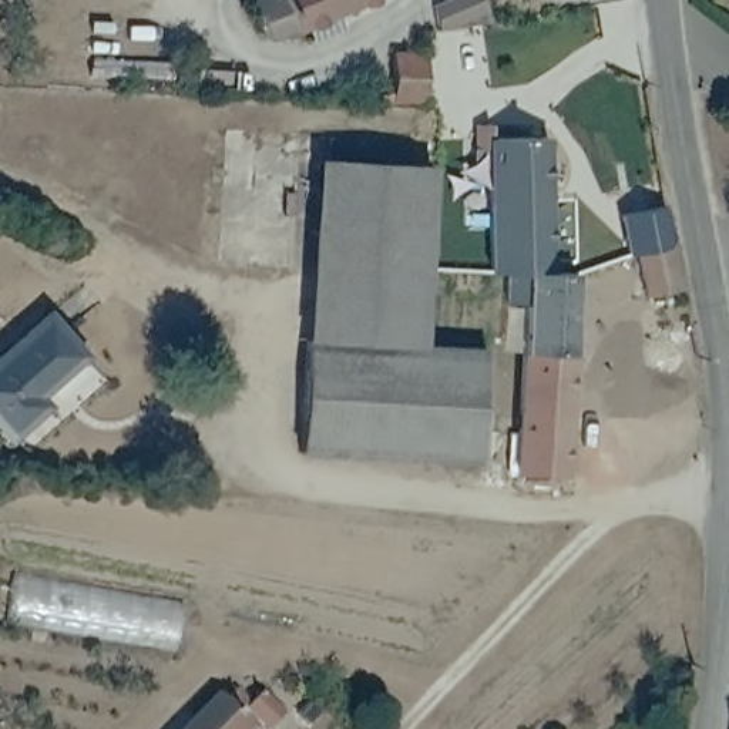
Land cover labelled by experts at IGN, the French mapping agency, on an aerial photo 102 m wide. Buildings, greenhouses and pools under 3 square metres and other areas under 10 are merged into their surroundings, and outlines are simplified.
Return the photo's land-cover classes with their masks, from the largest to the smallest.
<instances>
[{"label":"agricultural land","instance_id":"1","mask_svg":"<svg viewBox=\"0 0 729 729\"><path fill-rule=\"evenodd\" d=\"M51 142L46 134L20 137L0 131V151H9L17 165H28L37 174H46ZM26 196L34 205H43L48 199L40 188L0 174V202ZM587 530L584 521H495L447 513L310 501L290 493L251 490L236 481L228 487L219 484V501L208 510L185 507L177 513H165L151 510L142 498L122 504L117 493H105L100 501H85L74 495H51L43 487L37 493L14 495L0 504V615L6 598V575L17 567L48 570L91 581H111L140 589H159L182 595L179 609L185 615V624L182 638L174 649L57 632L48 624L28 621L31 638L11 641L0 632V689H63L77 695L80 701H97V715L54 706V729H185L191 718L216 692H236L242 706L253 703L265 692L262 681L279 672L290 661H322L330 655L339 661V666L350 672L347 695L353 701L370 703L379 692L387 689L399 701L402 712L424 695L430 683L441 678V672L510 607L513 598L521 595V589L567 547V541L575 533ZM85 666L151 669L157 678V692H125L91 683L85 681ZM709 552H703V541L698 538V530L692 524L672 515H641L612 527L533 604V609L501 638V644L490 655H484L458 686H453L444 695V701L419 723V729H575L587 718H592V712L604 706L612 695H618L624 678L635 686L646 675L644 652L664 649L675 658H692L695 649L703 646L706 621Z\"/></svg>","mask_w":729,"mask_h":729},{"label":"herbaceous vegetation","instance_id":"2","mask_svg":"<svg viewBox=\"0 0 729 729\"><path fill-rule=\"evenodd\" d=\"M34 11V37L43 48H48L46 65H37L31 74L9 71V77L0 80V131L20 137L46 134L51 142L46 174H37L28 165H17L9 151H0V174L40 188L48 199L57 208L74 214L83 222V228L94 234V242L120 234L131 236L142 248H151L171 265L194 268L199 273H211L219 279H282V265L216 262L222 234L219 205L225 182V134L242 131L248 142H253V148H262L265 134L285 137V131L290 128H310V151L327 162L410 168L430 165L436 171V179L441 185V256L436 268V296L441 299L439 322L444 325L436 327V345L490 350L493 404L487 413V464H501V481L513 490L515 498L561 501L575 495L578 456L550 467L547 484L527 481L521 473L510 476L513 436L524 430L527 359L521 353L513 356L507 350L513 279H501L498 273V225L493 219L498 216V191L493 185L487 188L470 171L473 165H478V157L470 154V137L441 140L444 117L436 97L416 103V108H387L384 114H350L345 108H299L293 103H288L245 100L225 105H202L188 97H177L174 71L168 65L174 51L179 46L196 48L205 40L188 23L168 26L162 20L148 17L154 0H28ZM125 68L142 71L151 80L154 91L117 94V77H122ZM604 34L598 9H595L592 14L544 17H535L533 23H513L510 17H495L484 28L490 88L524 85L538 80L561 60H567L572 51ZM558 117L567 122V128L584 148L598 179V188L612 191L618 185L615 168L624 162L629 191L646 188L649 168L652 162H658L655 137L649 131V103H641L638 85H632L626 77H615L609 68L592 74L558 103ZM703 128L712 157V174L729 191V128L715 120V114H709L703 120ZM629 245L624 234L615 236L589 211L587 202L581 205L584 259L575 262V273H581L592 265L626 256ZM100 276V271H77L71 262L51 259L46 253L26 248L23 242H14L11 236H0V356H6L54 308H63L83 293L88 279ZM80 333L85 336V347L91 350L83 367H94L103 379V384L83 404L94 419L103 421L131 416L137 421L134 427L91 430L71 413L48 436H43L37 447L28 444L9 447L0 433V470L17 467L23 461H37L51 470L85 464L97 470H122L128 464H140L142 473H157L177 453L199 456L205 450L199 433L188 421H179L174 416L168 404L148 399L154 376L145 367L148 342L191 350L196 359H202L214 353L219 339L188 313H162L157 305H151V313L145 316L140 308H131L125 299L114 293L100 302V310L85 316L80 327ZM658 327H683L692 322L689 305H675V299H658ZM675 373L689 382V399H695L698 407L712 404L709 370L706 362L692 359L689 350ZM393 470L402 478L450 481L458 490H473L481 473L444 470L436 464H393ZM626 706L618 695H612L604 706L592 712V718H587L575 729H607L612 726L615 715Z\"/></svg>","mask_w":729,"mask_h":729},{"label":"pervious surface","instance_id":"3","mask_svg":"<svg viewBox=\"0 0 729 729\"><path fill-rule=\"evenodd\" d=\"M433 3L450 0H384V6L379 9H362L359 14L336 20L330 28L319 31L313 43H271L259 37L239 0H154L148 17L162 20L168 26L188 23L205 40L216 60L211 68L202 71L205 80L242 85L245 91H253L256 83L285 85L288 103H293L299 97L330 94L356 71L370 68L376 60L382 71L390 74V43H402L413 26L427 23L433 20ZM490 3L495 17H510L513 23H533L535 17H544L541 3H592L595 9H598L629 0H484ZM649 131L655 137L658 162H652L649 168L646 188L664 196L666 208L672 211L678 234L675 248L683 253L686 262L689 259L683 211L669 168V154L664 145L658 77H649ZM77 271H100V276L88 279L83 293L63 308L71 316L68 325L80 327L85 316L100 310V302L114 293L125 299L131 308H140L145 316L151 313V305H157L162 313H188L219 339H228L236 365L245 376V384L239 387L234 404L214 416H202L185 407L174 416L179 421H188L199 433L205 450L214 461L219 484L228 487L236 481L251 490L290 493L310 501L447 513L495 521H584L587 530L575 533L567 541V547L521 589V595L513 598L510 607L441 672V678L430 683L424 695L402 712L396 729H419V723L444 701V695L453 686H458L484 655H490L501 644V638L533 609V604L612 527L641 515H672L692 524L698 530V538L703 541L709 538V430L701 427L698 407L695 399H689V382L675 373L689 350V336L683 327H658V299H644L638 273L632 268V256H626L592 265L581 273L584 347L581 356L572 362L578 365L581 387L601 393L612 419L598 424L595 410H584L578 439L587 447L578 456L575 495L561 501L515 498L513 490L501 481V464H487L481 473L473 490H458L450 481L402 478L393 470V464L342 458L325 461L305 456L313 416V333L319 279H219L211 273H199L194 268L171 265L151 248H142L131 236L120 234L94 242V251L88 256L71 262ZM91 430L134 427L137 421L131 416L103 421L94 419L83 404H77L71 413ZM265 692L253 703L242 706V715L259 720L256 729H327L333 715L319 712L313 701H302L305 683H299L296 689H285L279 672L262 681Z\"/></svg>","mask_w":729,"mask_h":729},{"label":"building","instance_id":"4","mask_svg":"<svg viewBox=\"0 0 729 729\"><path fill-rule=\"evenodd\" d=\"M384 6V0H265L268 20L259 37L271 43H313L319 31L330 28L336 20L359 14L362 9H379ZM495 17L490 3L484 0H450L433 3V20L427 23L436 34L458 28L470 31L476 26L484 28ZM390 85L396 88V94L387 97V108H416V103L436 97L433 57L402 54L399 68H390ZM558 142L550 134L538 140H504L498 137V128H484L473 120L470 137V154L478 157V165H473L470 171L487 188L493 185L498 191V216L493 219L498 225V273L501 279H513L507 350L513 356L521 353L527 359L524 430L513 436L510 476L521 473L527 481L547 484L550 467L578 456L587 447L578 439L584 410H595L598 424L612 419L601 393L581 387L578 365L572 362L581 356L584 347L581 273H575V262L584 259L581 205L558 202ZM441 256V185L436 179V171L430 165L410 168L327 162L319 231V279L313 333V416L305 456L325 461L342 458L393 464H436L444 470L481 473L487 464V413L493 404L490 350L436 345V327L444 325L439 322L441 299L436 296V268ZM624 234L629 245L626 256H632V268L638 273L644 299H675V305H689V293H695V285L689 259L686 262L683 253L675 248L678 234L672 211L666 208L664 196L646 188L629 191L618 202ZM71 316L63 308H54L6 356H0V433L9 447L28 444V430L37 427L54 407V393L83 367L91 350L85 347V336L80 333V327L68 325ZM242 706L236 692H216L191 718L185 729H256L259 720L242 715Z\"/></svg>","mask_w":729,"mask_h":729},{"label":"impervious surface","instance_id":"5","mask_svg":"<svg viewBox=\"0 0 729 729\"><path fill-rule=\"evenodd\" d=\"M604 34L572 51L567 60H561L538 80L524 85L490 88L484 28L476 26L470 31L458 28L436 34L433 57L436 97L444 117L441 140L470 137L473 120L484 128H498V137L504 140H538L550 134L558 142V202L581 205L587 202L589 211L615 236L624 234L618 202L629 191L624 162L615 168L618 185L612 191L598 188V179L584 148L567 128V122L558 117V103L592 74L609 68L615 77H626L632 85H638L641 103H649V77H658L664 145L669 154V168L683 211L689 259L695 285V293H689V305L692 322L683 327L689 336V350L692 359L706 362L709 370L712 404L698 407L701 427L709 430V538L703 541V552H709L706 621L703 646L695 649L692 658L698 703L689 712V729H729V191L712 174V157L703 128V120L709 114L706 100L712 83L729 74V31L706 20L698 9L689 6V0H629L598 9ZM310 128H290L285 131V137L265 134L262 148H253V142H248L242 131L225 134V182L219 205L222 234L216 262L282 265V279H319V231L327 162L310 151ZM103 384V379L94 367H83L54 393V407L37 427L28 430V444L37 447L43 436H48L71 413L77 404H83Z\"/></svg>","mask_w":729,"mask_h":729},{"label":"deciduous trees","instance_id":"6","mask_svg":"<svg viewBox=\"0 0 729 729\"><path fill-rule=\"evenodd\" d=\"M48 48H43L34 37V11L28 0H0V80L9 77V71L31 74L37 65H46ZM259 37L268 20L265 0H239ZM436 34L427 23L413 26L402 43H390V68H399L402 54L433 57ZM216 60L205 40L196 48L179 46L174 51L168 65L174 71L177 97H188L202 105H225L245 100L288 103L285 85L256 83L253 91H245L242 85L205 80L202 71L211 68ZM396 94V88L390 85V74L382 71L376 60L370 68L356 71L330 94L299 97L293 103L299 108H345L350 114H384L387 108V97ZM117 94L154 91L151 80L142 71L125 68L122 77H117ZM709 114H715V120L729 128V74L712 83L706 100ZM0 236H11L14 242H23L26 248L46 253L51 259L71 262L88 256L94 251V234L83 228V222L74 214L57 208L48 199L43 205H34L26 196L0 202ZM145 367L154 376L148 399L168 404L174 416L185 407L202 416H214L234 404L239 387L245 384V376L236 365L228 339H219L214 353L202 359H196L191 350L148 342ZM43 487L51 495H74L85 501H100L105 493H117L122 504L142 498L151 510L165 513H177L185 507L208 510L219 501V484L214 461L205 450L199 456L177 453L157 473H142L140 464H128L122 470H97L85 464L51 470L37 461H23L17 467L0 470V504L14 495L37 493ZM0 632L11 641L31 638L28 621L17 618V612L11 618H0ZM646 675L635 686L624 678L618 695L626 706L615 715L612 726L607 729H689V712L698 703L692 658H675L664 649L644 652ZM285 689H296L299 683H305L302 701H313L319 712L333 715L327 729H396L402 712L399 701L387 689L379 692L370 703L353 701L347 695L350 672L339 666V661L330 655L322 661H290L279 672ZM85 681L91 683L125 692H157V678L151 669L85 666ZM54 706L97 715V701H80L77 695L63 689H0V729H54Z\"/></svg>","mask_w":729,"mask_h":729},{"label":"greenhouse","instance_id":"7","mask_svg":"<svg viewBox=\"0 0 729 729\"><path fill-rule=\"evenodd\" d=\"M182 595L159 589H140L111 581H91L48 570L17 567L6 575V598L0 615V618H11L17 612V618L28 621L48 624L57 632L174 649L182 638L185 624V615L179 609Z\"/></svg>","mask_w":729,"mask_h":729},{"label":"brushwood","instance_id":"8","mask_svg":"<svg viewBox=\"0 0 729 729\"><path fill-rule=\"evenodd\" d=\"M689 6L698 9L706 20L729 31V0H689ZM595 9L592 3H541L544 17L592 14Z\"/></svg>","mask_w":729,"mask_h":729}]
</instances>
